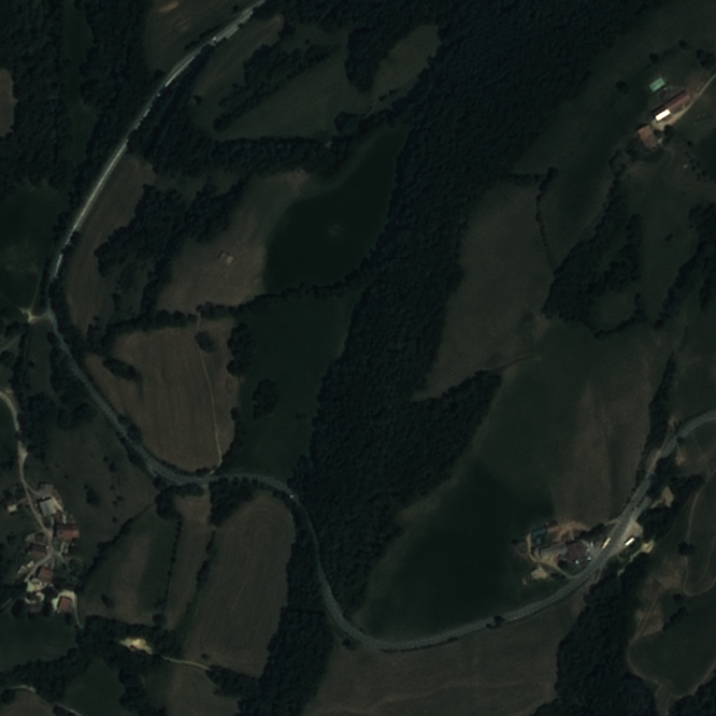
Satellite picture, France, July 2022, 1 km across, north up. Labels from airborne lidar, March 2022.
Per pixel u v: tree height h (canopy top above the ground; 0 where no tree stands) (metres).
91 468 0
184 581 0
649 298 0
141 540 0
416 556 0
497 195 0
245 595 0
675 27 0
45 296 11
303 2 28
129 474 0
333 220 0
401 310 19
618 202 15
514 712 0
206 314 25
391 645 0
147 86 18
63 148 24
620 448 0
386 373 18
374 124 12
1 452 0
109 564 0
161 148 18
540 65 21
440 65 19
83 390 23
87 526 0
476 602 0
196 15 0
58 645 0
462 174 25
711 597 0
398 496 18
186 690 0
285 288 0
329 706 0
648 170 0
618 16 23
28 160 21
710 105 0
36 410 23
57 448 0
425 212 24
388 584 0
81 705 0
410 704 0
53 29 31
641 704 28
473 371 0
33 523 0
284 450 0
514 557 0
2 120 0
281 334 0
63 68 24
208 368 0
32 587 0
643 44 0
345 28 18
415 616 0
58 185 23
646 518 16
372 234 0
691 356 0
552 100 19
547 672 0
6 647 0
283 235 0
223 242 0
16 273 0
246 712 13
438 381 0
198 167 19
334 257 0
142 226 15
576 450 0
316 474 20
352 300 0
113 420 0
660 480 19
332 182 0
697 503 0
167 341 0
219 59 0
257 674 0
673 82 0
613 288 18
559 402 0
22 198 0
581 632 15
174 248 19
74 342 14
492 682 0
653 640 0
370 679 0
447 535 0
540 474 0
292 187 0
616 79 0
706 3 0
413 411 16
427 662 0
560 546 0
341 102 0
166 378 0
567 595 0
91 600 0
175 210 18
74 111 0
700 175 7
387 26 29
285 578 0
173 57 0
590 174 0
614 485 0
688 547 16
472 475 0
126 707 19
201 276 0
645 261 0
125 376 13
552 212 0
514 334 0
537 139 16
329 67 0
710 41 0
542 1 29
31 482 0
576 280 20
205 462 0
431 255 19
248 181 6
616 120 0
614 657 29
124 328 14
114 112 17
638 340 0
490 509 0
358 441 22
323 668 14
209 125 0
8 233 0
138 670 23
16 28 30
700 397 0
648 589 0
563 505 0
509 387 0
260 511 0
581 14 24
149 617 0
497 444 0
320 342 0
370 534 20
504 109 26
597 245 17
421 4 32
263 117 0
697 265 22
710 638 0
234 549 0
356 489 20
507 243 0
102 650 22
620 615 26
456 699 0
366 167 0
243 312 16
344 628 0
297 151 29
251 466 0
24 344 12
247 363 14
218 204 16
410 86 0
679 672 0
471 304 0
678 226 0
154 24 0
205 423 0
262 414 11
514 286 0
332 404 22
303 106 0
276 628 0
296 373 0
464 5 25
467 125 29
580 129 0
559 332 0
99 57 26
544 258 0
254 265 0
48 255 0
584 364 0
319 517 21
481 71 22
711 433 0
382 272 18
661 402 14
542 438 0
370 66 27
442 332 18
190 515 0
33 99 30
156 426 0
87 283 0
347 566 12
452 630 0
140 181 0
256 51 0
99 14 28
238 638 0
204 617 0
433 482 17
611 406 0
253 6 0
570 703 25
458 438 25
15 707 0
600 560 0
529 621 0
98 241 0
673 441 0
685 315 0
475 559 0
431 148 30
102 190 0
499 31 21
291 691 23
